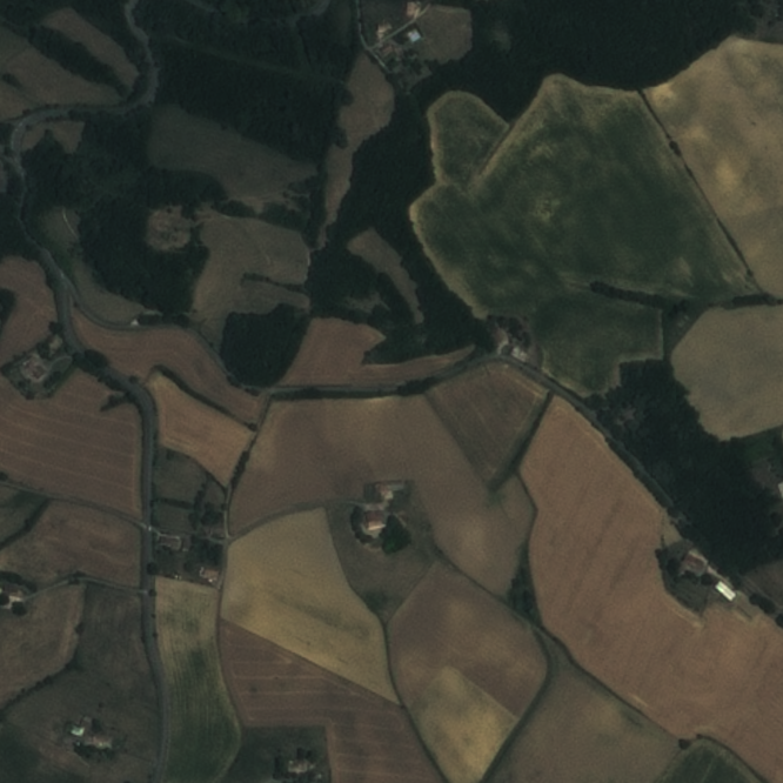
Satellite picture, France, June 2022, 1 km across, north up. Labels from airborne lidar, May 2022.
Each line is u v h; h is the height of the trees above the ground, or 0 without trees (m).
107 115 16
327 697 0
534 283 0
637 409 16
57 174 10
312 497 0
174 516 0
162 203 10
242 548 0
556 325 0
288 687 0
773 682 0
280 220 8
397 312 9
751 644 0
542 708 0
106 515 0
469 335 17
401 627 0
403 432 0
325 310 12
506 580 0
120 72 0
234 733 0
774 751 0
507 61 7
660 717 0
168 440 0
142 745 0
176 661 0
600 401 17
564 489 0
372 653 0
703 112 0
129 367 0
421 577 0
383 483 0
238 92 9
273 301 0
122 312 0
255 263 0
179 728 0
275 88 7
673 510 11
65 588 0
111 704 0
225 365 8
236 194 0
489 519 0
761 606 13
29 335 0
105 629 0
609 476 0
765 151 0
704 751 0
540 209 0
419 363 0
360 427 0
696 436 25
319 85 6
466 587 0
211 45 15
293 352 10
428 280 16
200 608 0
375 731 0
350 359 0
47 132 8
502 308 0
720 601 0
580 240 0
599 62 15
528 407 0
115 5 16
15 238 20
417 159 17
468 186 0
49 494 0
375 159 19
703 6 12
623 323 0
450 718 0
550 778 0
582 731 0
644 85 17
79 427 0
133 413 0
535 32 14
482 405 0
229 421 0
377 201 19
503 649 0
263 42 15
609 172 0
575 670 0
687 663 0
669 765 0
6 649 0
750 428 0
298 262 0
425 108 11
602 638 0
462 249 0
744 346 0
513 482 0
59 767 0
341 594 0
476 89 15
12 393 0
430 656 0
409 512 0
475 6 9
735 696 0
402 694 0
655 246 0
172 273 12
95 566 0
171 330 0
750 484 16
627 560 0
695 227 0
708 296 0
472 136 0
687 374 0
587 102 0
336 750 0
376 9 0
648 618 0
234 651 0
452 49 0
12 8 15
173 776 0
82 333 0
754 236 0
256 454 0
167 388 0
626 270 0
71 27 0
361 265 19
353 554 0
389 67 9
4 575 8
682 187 0
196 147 0
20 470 0
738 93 0
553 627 0
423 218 0
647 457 15
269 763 0
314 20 16
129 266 17
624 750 0
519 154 0
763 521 20
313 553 0
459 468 0
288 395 7
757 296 7
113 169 11
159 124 0
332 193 0
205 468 0
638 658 0
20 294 0
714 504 16
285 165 0
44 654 0
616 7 16
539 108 0
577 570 0
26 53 0
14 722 0
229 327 14
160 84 8
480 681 0
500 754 0
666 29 20
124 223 14
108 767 0
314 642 0
